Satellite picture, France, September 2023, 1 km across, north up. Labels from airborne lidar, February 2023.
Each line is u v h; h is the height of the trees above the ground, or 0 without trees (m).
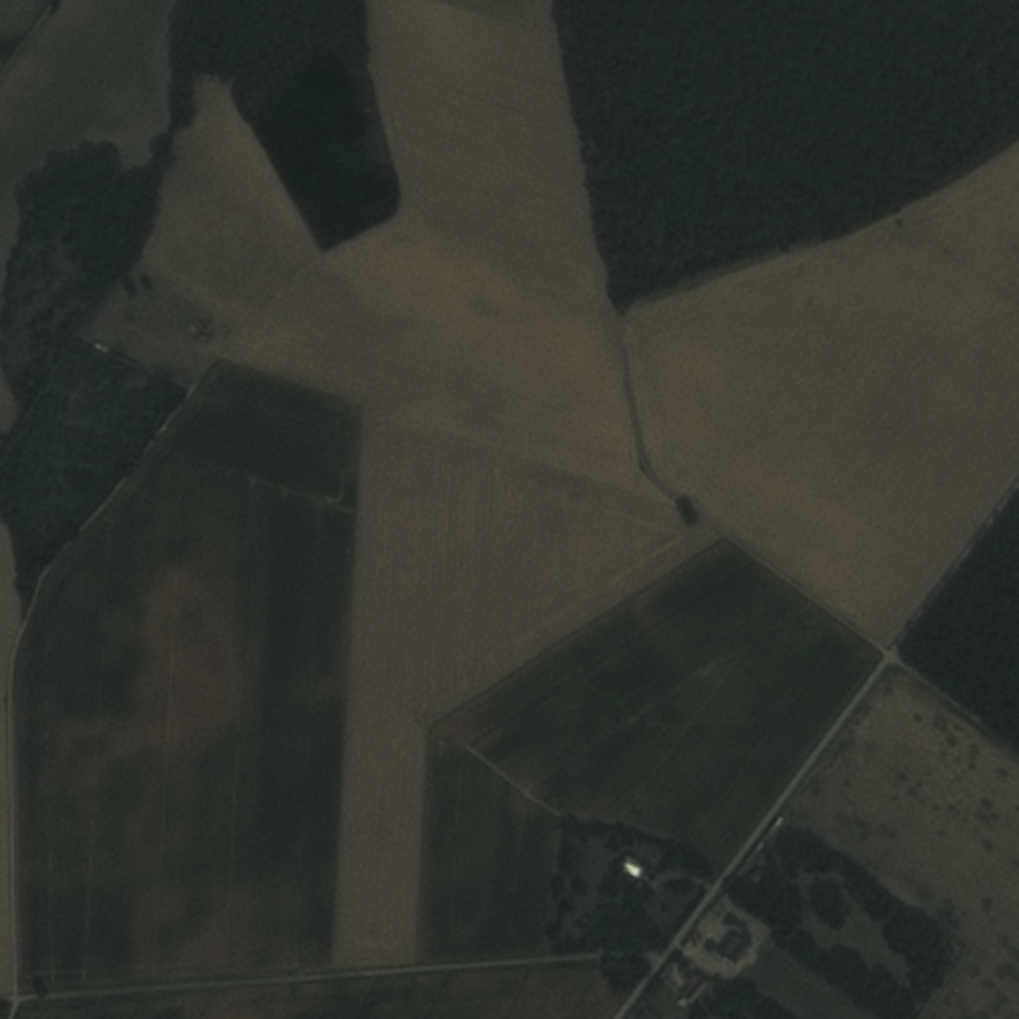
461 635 0
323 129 0
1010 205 0
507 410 0
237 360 0
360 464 0
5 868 0
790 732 0
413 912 0
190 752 0
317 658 0
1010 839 0
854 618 0
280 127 0
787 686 0
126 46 0
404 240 0
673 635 0
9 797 0
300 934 0
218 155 0
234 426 0
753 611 0
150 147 0
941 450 0
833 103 21
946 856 0
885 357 0
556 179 0
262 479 0
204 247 0
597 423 0
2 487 10
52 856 0
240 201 0
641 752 0
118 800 0
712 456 0
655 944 25
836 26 14
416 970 0
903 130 20
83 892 0
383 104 0
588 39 15
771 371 0
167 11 0
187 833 0
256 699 0
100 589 0
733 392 0
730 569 0
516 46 0
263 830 0
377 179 0
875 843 0
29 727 0
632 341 0
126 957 0
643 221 19
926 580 0
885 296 0
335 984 0
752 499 0
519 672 0
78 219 12
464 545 0
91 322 0
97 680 0
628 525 0
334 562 0
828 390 0
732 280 0
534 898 0
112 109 0
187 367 0
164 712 0
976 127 18
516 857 0
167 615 0
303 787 0
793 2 18
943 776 0
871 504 0
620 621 0
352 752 0
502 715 0
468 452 0
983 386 0
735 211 22
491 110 0
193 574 0
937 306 0
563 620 0
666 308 0
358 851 0
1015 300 0
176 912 0
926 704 0
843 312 0
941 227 0
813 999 0
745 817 0
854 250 0
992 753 0
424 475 0
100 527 0
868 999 16
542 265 0
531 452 0
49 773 0
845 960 18
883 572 0
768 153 21
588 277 0
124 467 12
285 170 0
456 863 0
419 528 0
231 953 0
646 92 17
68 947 0
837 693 0
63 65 0
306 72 0
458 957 0
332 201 0
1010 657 21
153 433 10
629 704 0
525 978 0
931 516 0
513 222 0
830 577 0
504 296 0
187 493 0
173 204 0
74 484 13
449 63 0
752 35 18
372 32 0
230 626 0
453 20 0
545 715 0
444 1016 0
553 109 0
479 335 0
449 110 0
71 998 0
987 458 0
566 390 0
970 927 0
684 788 0
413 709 0
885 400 0
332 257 0
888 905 19
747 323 0
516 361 0
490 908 0
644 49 19
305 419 0
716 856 0
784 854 19
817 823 0
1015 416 0
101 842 0
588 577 0
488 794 0
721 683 0
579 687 0
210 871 0
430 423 0
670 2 19
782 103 19
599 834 15
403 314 0
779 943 15
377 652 0
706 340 0
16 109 0
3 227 0
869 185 19
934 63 20
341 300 0
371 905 0
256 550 0
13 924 0
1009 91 17
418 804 0
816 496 0
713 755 0
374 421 0
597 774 0
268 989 0
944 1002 0
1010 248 0
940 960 18
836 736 0
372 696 0
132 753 0
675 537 0
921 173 19
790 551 0
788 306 0
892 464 0
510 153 0
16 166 0
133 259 9
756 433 0
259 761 0
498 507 0
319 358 0
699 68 16
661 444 0
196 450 0
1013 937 0
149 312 0
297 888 0
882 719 0
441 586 0
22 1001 0
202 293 0
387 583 0
